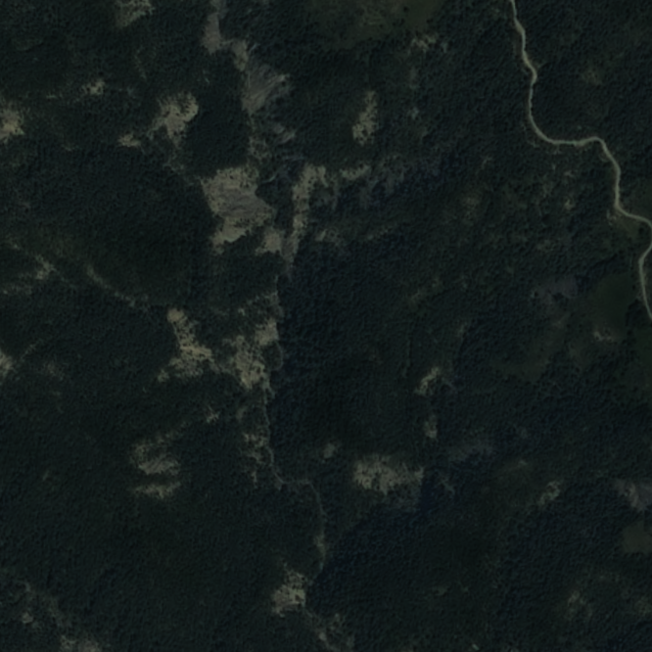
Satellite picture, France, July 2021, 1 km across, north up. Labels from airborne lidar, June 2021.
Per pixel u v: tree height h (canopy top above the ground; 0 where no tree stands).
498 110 9
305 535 13
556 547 9
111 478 9
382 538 11
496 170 8
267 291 10
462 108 15
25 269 8
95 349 12
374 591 10
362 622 11
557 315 0
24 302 8
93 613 12
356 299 8
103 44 7
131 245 9
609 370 15
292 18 7
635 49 14
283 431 9
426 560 9
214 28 0
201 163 7
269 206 8
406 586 9
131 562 7
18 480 14
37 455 9
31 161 11
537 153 7
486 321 10
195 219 14
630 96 15
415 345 8
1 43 7
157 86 8
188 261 13
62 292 6
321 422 9
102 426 10
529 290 6
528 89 8
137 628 10
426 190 7
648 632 10
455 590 8
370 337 9
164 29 15
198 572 8
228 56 6
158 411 7
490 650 11
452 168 8
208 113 12
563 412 11
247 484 12
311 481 8
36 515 12
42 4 15
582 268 10
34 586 11
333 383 12
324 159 8
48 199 13
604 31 11
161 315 13
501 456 7
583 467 11
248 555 9
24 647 9
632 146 7
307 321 14
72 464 8
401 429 7
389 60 7
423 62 6
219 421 9
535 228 11
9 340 6
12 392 8
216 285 7
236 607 11
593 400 13
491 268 8
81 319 10
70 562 10
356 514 12
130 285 7
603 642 9
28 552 12
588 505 9
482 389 6
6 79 7
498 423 8
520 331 7
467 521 5
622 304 0
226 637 12
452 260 8
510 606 10
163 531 9
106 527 9
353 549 13
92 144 9
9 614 12
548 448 7
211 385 10
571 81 10
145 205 13
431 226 6
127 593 10
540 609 6
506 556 14
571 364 6
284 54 13
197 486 12
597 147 7
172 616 7
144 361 8
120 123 10
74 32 6
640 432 10
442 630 9
